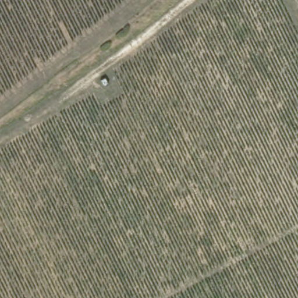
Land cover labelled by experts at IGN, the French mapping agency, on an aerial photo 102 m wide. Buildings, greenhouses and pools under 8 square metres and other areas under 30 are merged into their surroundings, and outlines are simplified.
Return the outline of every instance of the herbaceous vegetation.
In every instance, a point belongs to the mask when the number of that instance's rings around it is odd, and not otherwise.
[[[102,85],[102,80],[109,79],[105,72],[97,78],[99,87],[90,85],[66,99],[62,105],[58,99],[64,92],[107,58],[125,48],[152,24],[161,20],[180,0],[121,0],[97,23],[81,30],[81,34],[72,40],[77,43],[76,47],[66,52],[64,57],[57,59],[51,68],[40,71],[36,66],[28,76],[22,77],[19,83],[12,85],[12,88],[8,88],[0,95],[0,151],[2,143],[9,144],[20,139],[52,116],[61,115],[61,109],[70,108],[74,102],[94,97],[98,105],[107,104],[109,99],[106,95],[106,86]]]

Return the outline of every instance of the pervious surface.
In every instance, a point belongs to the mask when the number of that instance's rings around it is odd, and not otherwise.
[[[90,85],[99,87],[97,78],[105,72],[169,23],[173,16],[192,5],[191,0],[180,0],[161,20],[152,24],[125,48],[107,58],[64,92],[58,99],[62,105],[66,99]]]

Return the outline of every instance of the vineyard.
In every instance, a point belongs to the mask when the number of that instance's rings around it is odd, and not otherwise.
[[[64,57],[66,52],[76,47],[77,43],[72,40],[81,34],[81,30],[97,23],[121,0],[0,0],[0,95],[8,88],[12,88],[12,85],[19,83],[22,77],[28,76],[36,66],[40,71],[51,68],[57,59]]]
[[[0,298],[298,298],[298,0],[191,0],[192,5],[173,16],[169,23],[105,72],[109,79],[102,80],[102,85],[106,86],[106,95],[109,99],[107,104],[98,105],[94,97],[74,102],[70,108],[61,109],[61,115],[52,116],[20,139],[9,144],[2,143],[0,151]]]

